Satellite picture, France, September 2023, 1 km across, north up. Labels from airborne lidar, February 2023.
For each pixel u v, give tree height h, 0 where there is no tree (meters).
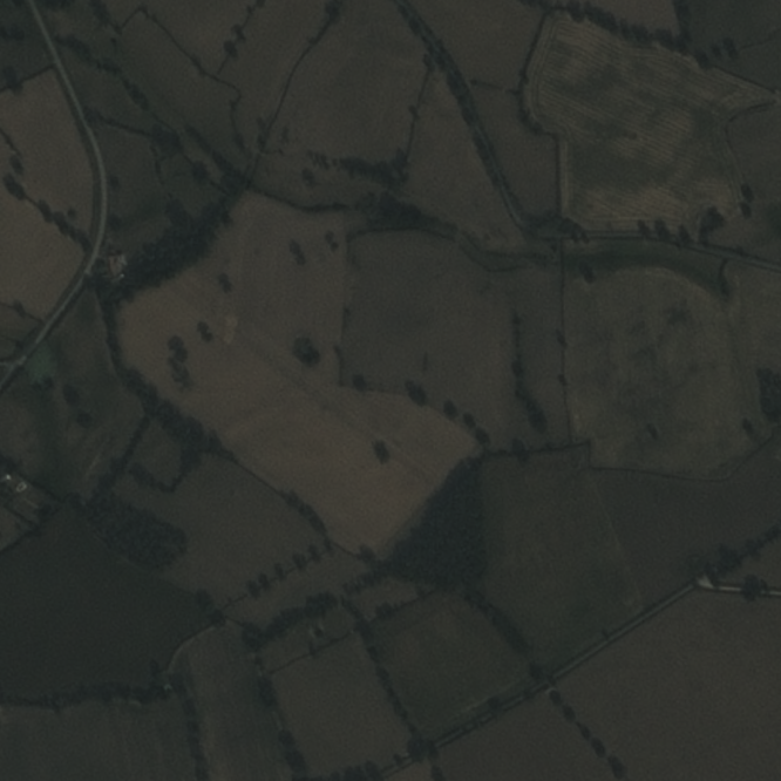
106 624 0
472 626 0
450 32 0
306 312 0
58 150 0
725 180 0
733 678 0
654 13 0
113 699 13
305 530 0
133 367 0
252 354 0
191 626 0
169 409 16
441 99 0
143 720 0
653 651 0
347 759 0
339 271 0
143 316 0
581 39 0
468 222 0
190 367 0
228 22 0
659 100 0
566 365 0
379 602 0
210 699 0
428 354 0
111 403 0
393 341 0
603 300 0
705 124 0
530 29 0
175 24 0
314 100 0
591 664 0
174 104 0
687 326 0
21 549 0
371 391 0
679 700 0
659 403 0
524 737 0
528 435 0
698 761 0
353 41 0
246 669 0
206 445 16
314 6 0
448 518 20
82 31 0
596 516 0
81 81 0
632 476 0
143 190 0
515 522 0
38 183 0
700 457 0
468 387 0
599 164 0
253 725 0
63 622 0
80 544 0
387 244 0
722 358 0
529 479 0
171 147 14
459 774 0
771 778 0
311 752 0
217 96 0
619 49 0
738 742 0
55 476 0
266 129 10
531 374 0
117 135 0
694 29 0
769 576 0
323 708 0
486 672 0
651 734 0
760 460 0
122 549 18
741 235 0
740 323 0
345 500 0
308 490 0
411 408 0
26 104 0
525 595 0
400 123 0
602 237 0
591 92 0
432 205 0
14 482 0
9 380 9
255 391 0
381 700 0
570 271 0
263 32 0
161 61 0
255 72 0
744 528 0
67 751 0
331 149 0
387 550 0
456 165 0
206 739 0
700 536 0
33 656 0
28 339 0
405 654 0
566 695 0
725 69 0
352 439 0
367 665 0
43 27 0
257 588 10
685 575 0
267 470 0
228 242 0
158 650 0
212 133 0
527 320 0
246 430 0
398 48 0
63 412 0
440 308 0
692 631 0
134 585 0
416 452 0
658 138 0
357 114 0
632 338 0
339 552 0
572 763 0
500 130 0
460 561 22
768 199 0
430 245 0
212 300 0
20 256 0
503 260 0
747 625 0
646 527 0
